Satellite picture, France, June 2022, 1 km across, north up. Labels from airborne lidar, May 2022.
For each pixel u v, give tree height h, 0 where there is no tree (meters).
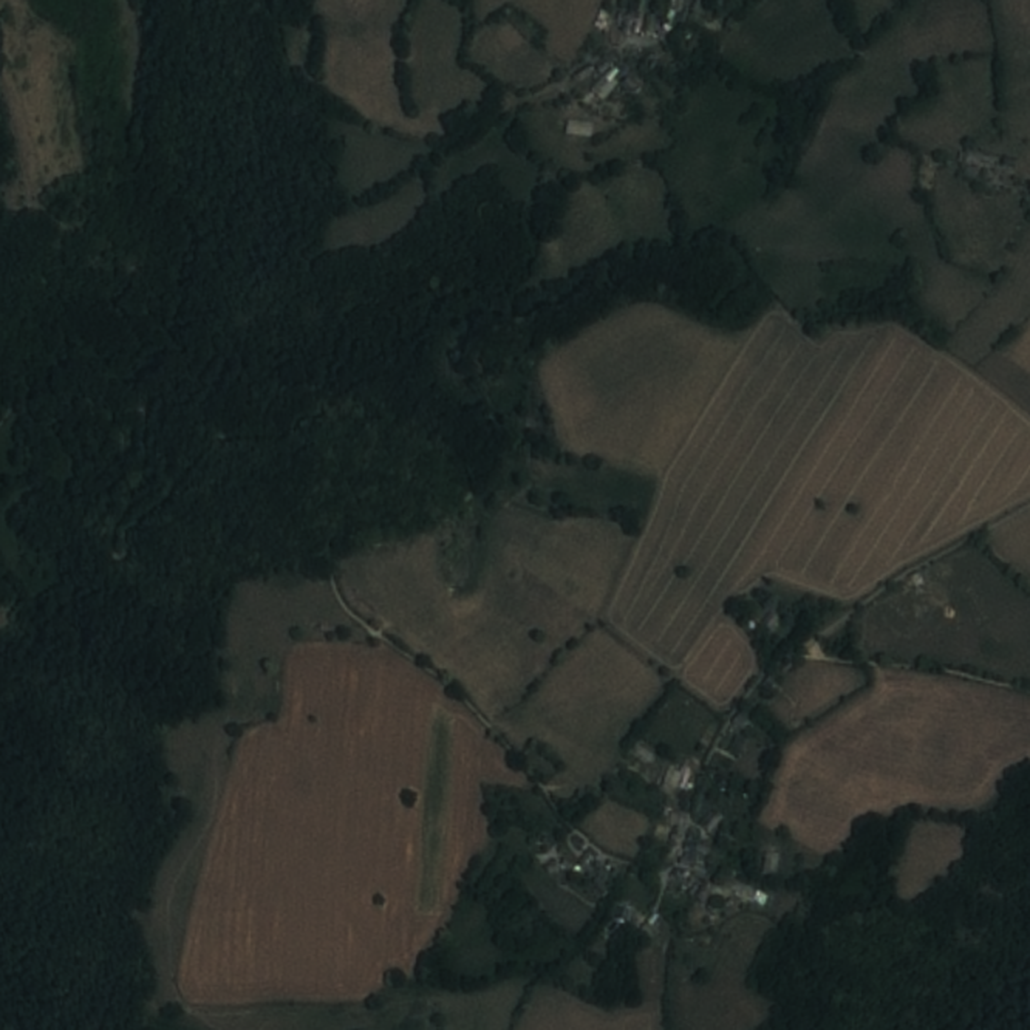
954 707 0
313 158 16
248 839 0
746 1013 0
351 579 0
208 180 20
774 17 0
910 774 0
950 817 10
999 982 6
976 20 0
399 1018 0
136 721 12
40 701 16
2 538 0
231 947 0
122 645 29
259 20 20
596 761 0
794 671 7
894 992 17
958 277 0
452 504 16
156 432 18
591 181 15
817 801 0
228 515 18
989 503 0
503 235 21
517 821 10
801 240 0
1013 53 0
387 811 0
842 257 0
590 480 0
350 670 0
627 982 11
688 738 0
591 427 0
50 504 22
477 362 16
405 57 13
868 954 20
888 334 0
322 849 0
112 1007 17
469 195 21
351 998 0
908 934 15
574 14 0
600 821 0
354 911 0
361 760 0
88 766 14
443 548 8
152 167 23
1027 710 0
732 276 14
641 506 0
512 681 0
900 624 0
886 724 0
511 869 9
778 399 0
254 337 19
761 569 0
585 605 0
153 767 17
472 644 0
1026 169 0
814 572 0
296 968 0
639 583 0
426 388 30
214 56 13
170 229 29
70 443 22
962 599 0
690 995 0
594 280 23
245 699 0
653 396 0
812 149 0
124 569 15
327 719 0
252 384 20
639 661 0
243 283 16
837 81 20
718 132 0
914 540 0
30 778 23
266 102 11
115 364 15
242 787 0
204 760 0
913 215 0
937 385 0
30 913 15
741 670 0
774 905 0
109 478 21
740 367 0
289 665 0
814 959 17
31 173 0
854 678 0
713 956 0
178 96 13
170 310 26
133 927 13
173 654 17
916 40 0
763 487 0
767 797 15
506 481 0
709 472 0
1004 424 0
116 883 12
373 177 0
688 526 0
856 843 13
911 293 12
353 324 22
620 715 0
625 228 0
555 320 25
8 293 15
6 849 15
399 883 0
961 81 0
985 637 0
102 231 17
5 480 17
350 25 0
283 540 18
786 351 0
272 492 15
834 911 9
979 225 0
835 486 0
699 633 0
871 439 0
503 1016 0
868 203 0
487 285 27
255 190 15
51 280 23
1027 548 0
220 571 14
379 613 0
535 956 0
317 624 0
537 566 0
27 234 18
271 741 0
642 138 0
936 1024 10
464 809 0
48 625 27
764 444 0
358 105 0
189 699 22
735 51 0
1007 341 9
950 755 0
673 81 13
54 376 24
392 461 18
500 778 0
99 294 19
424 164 17
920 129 0
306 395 24
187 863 0
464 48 8
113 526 11
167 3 21
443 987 17
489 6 0
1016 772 16
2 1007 23
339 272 19
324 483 17
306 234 15
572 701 0
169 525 19
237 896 0
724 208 0
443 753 0
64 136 0
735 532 0
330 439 18
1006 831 17
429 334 26
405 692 0
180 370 29
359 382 24
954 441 0
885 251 0
